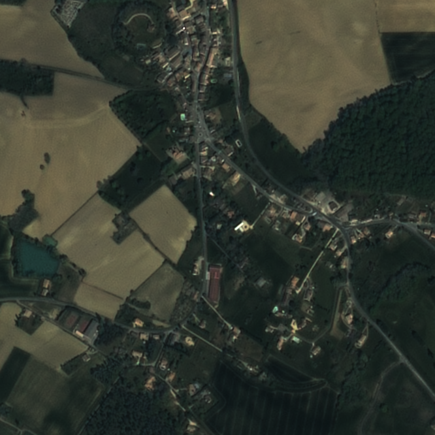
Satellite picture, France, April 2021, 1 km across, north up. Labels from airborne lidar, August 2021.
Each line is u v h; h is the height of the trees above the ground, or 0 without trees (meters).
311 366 0
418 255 0
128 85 8
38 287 0
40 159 0
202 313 6
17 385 0
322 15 0
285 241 0
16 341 0
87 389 0
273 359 0
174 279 0
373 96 12
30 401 0
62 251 0
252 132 0
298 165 0
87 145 0
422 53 0
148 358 16
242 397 0
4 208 0
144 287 0
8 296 0
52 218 0
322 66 0
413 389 0
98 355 0
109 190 0
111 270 0
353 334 12
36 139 0
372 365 0
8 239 0
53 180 0
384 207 9
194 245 0
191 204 0
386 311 0
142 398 20
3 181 0
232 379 0
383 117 16
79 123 0
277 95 0
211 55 0
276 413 0
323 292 0
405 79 0
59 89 0
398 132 28
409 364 0
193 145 6
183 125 0
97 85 0
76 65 0
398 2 0
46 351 0
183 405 16
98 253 0
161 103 8
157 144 0
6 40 0
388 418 0
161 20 11
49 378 0
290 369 0
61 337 0
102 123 0
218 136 14
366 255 0
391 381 0
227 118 0
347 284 0
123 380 11
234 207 8
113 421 19
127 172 0
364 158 26
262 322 0
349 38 0
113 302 0
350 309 0
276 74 0
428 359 0
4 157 0
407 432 0
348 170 25
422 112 24
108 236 0
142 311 0
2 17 0
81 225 0
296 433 0
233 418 0
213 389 0
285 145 12
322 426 0
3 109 0
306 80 0
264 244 0
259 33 0
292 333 0
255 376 8
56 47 0
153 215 0
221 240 11
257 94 0
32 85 7
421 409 0
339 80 0
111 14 0
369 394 16
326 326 12
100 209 0
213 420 0
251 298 0
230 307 0
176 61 0
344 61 0
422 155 19
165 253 0
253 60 0
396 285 22
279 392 0
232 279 0
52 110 0
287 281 0
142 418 6
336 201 6
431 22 0
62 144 0
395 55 0
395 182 17
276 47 0
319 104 0
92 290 0
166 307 0
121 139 0
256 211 0
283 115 0
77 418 0
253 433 0
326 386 0
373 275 6
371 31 0
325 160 14
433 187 22
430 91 23
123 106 10
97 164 0
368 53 0
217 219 12
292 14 0
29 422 0
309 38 0
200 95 0
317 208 0
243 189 0
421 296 0
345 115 23
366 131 24
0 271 0
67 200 0
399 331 0
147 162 0
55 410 0
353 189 16
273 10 0
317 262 6
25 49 0
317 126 0
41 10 0
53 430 0
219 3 14
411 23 0
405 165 19
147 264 0
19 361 0
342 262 0
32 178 0
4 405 10
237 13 0
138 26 0
